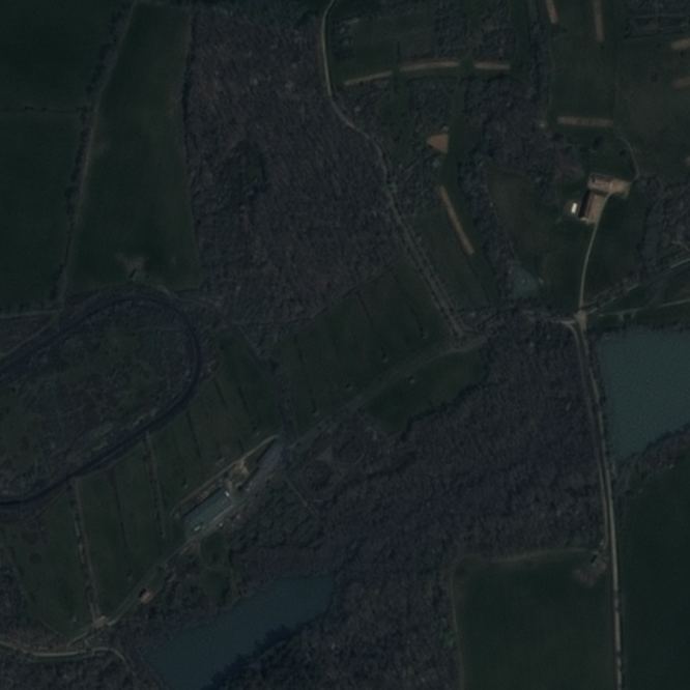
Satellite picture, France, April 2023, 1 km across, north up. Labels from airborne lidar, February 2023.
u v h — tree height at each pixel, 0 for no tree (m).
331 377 0
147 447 10
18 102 0
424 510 13
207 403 0
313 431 0
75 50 0
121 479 0
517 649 0
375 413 0
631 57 0
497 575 0
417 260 13
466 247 0
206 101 26
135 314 0
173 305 0
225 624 0
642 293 0
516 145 15
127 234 0
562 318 7
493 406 21
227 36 25
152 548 0
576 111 0
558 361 21
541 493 27
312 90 17
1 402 0
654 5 8
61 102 0
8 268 0
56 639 7
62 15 0
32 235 0
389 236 13
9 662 7
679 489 0
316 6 0
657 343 0
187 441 0
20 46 0
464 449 23
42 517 0
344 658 21
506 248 7
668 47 0
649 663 0
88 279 0
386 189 18
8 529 0
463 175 8
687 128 0
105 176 0
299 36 20
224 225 10
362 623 28
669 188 10
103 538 0
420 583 23
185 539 0
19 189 0
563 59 0
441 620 21
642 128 0
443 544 10
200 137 22
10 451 0
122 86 0
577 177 11
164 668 0
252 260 9
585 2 0
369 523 16
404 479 23
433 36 0
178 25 0
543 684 0
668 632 0
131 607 0
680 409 0
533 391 20
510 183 0
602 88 0
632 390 0
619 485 12
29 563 0
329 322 0
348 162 24
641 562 0
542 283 0
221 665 0
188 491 0
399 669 22
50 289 0
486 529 18
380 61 0
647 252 13
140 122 0
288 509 8
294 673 20
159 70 0
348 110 7
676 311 0
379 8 7
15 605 14
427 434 14
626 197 0
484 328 12
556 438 19
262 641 0
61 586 0
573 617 0
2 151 0
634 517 0
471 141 0
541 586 0
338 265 23
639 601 0
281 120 25
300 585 0
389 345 0
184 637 0
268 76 25
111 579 0
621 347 0
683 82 0
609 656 0
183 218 0
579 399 11
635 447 0
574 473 21
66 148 0
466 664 0
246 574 19
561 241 0
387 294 0
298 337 0
